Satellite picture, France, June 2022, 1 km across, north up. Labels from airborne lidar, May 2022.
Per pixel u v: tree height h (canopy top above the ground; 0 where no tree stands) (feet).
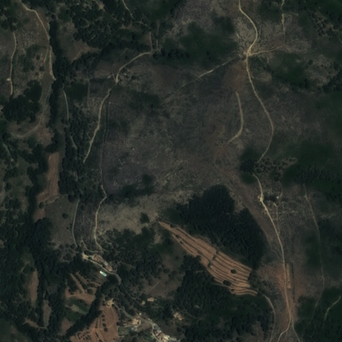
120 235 0
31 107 50
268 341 0
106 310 0
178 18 0
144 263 38
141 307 33
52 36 68
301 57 0
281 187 0
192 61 0
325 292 0
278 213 0
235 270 39
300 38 0
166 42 0
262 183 0
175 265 0
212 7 0
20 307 33
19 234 38
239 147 0
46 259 53
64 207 0
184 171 0
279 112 0
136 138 0
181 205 41
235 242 69
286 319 0
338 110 0
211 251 0
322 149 0
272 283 0
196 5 0
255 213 0
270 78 0
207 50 0
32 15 0
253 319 48
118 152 0
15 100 27
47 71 0
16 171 54
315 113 0
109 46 76
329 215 0
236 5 0
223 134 0
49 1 35
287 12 0
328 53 0
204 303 26
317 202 0
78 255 32
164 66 0
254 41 0
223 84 0
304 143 0
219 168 0
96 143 0
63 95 0
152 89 0
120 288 45
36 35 0
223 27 0
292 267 0
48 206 0
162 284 0
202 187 0
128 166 0
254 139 0
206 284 45
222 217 50
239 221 42
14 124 0
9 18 40
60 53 30
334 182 31
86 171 31
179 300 44
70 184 39
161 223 0
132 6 0
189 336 64
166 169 0
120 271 59
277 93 0
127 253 31
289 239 0
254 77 0
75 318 44
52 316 41
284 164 24
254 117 0
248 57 0
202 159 0
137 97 0
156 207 0
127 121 0
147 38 0
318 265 0
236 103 0
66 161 49
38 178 34
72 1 45
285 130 0
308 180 62
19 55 0
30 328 68
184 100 0
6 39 0
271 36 0
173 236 0
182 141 0
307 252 0
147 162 0
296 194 0
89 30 36
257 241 50
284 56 0
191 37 0
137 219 0
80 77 0
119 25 45
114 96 0
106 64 0
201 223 76
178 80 0
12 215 43
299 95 0
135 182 0
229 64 0
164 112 0
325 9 0
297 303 0
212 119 0
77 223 0
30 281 0
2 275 77
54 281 0
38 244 20
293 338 0
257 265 37
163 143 0
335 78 48
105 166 0
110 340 0
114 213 0
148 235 0
